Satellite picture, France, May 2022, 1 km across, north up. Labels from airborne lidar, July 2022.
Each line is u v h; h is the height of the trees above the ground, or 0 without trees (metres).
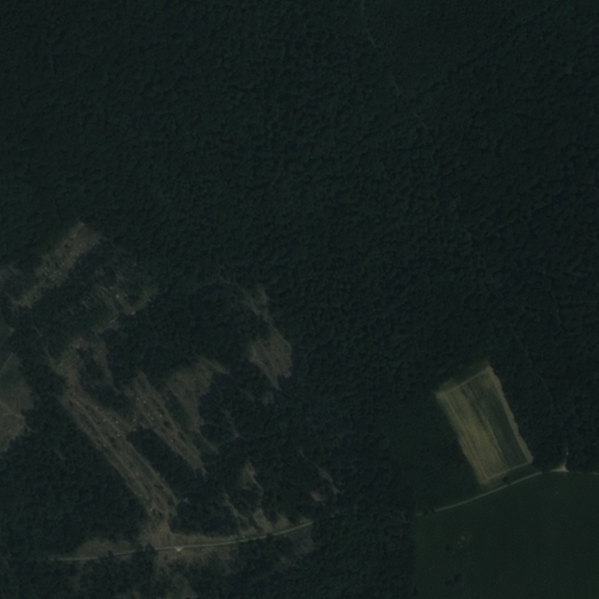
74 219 24
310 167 31
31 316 12
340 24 26
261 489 20
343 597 26
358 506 28
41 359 35
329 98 26
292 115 17
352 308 19
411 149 24
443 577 0
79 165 29
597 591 0
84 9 27
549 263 30
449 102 27
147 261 22
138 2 24
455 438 16
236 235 30
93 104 25
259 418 26
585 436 30
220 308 30
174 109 28
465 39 18
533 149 32
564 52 27
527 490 0
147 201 31
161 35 27
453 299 28
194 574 25
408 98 7
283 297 21
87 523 27
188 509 24
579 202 22
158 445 25
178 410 30
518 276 29
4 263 23
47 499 31
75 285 7
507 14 22
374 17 17
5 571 31
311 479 29
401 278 27
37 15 26
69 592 28
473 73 24
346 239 29
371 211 20
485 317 23
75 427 28
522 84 27
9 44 23
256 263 14
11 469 24
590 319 28
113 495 31
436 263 30
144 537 0
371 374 20
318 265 14
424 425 8
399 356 26
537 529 0
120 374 27
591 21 24
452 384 0
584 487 0
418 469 9
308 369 17
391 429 11
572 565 0
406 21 17
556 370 31
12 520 27
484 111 26
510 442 0
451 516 0
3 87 27
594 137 31
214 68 21
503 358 23
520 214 29
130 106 28
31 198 22
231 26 31
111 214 29
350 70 25
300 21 27
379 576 31
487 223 24
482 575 0
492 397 0
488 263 21
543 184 30
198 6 25
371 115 26
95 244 0
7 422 0
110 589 31
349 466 30
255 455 25
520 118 24
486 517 0
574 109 31
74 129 27
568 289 17
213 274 22
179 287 25
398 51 18
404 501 31
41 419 19
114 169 21
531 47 22
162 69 25
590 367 28
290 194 15
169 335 18
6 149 22
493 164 27
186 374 0
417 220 15
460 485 10
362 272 20
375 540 26
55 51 28
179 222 32
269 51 21
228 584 27
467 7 17
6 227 27
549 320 31
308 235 26
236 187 24
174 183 25
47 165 24
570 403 20
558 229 27
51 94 33
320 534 27
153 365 23
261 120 20
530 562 0
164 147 28
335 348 26
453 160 28
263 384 28
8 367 0
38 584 31
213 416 26
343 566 21
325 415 26
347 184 27
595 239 29
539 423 23
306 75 27
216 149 19
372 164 29
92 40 27
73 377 0
